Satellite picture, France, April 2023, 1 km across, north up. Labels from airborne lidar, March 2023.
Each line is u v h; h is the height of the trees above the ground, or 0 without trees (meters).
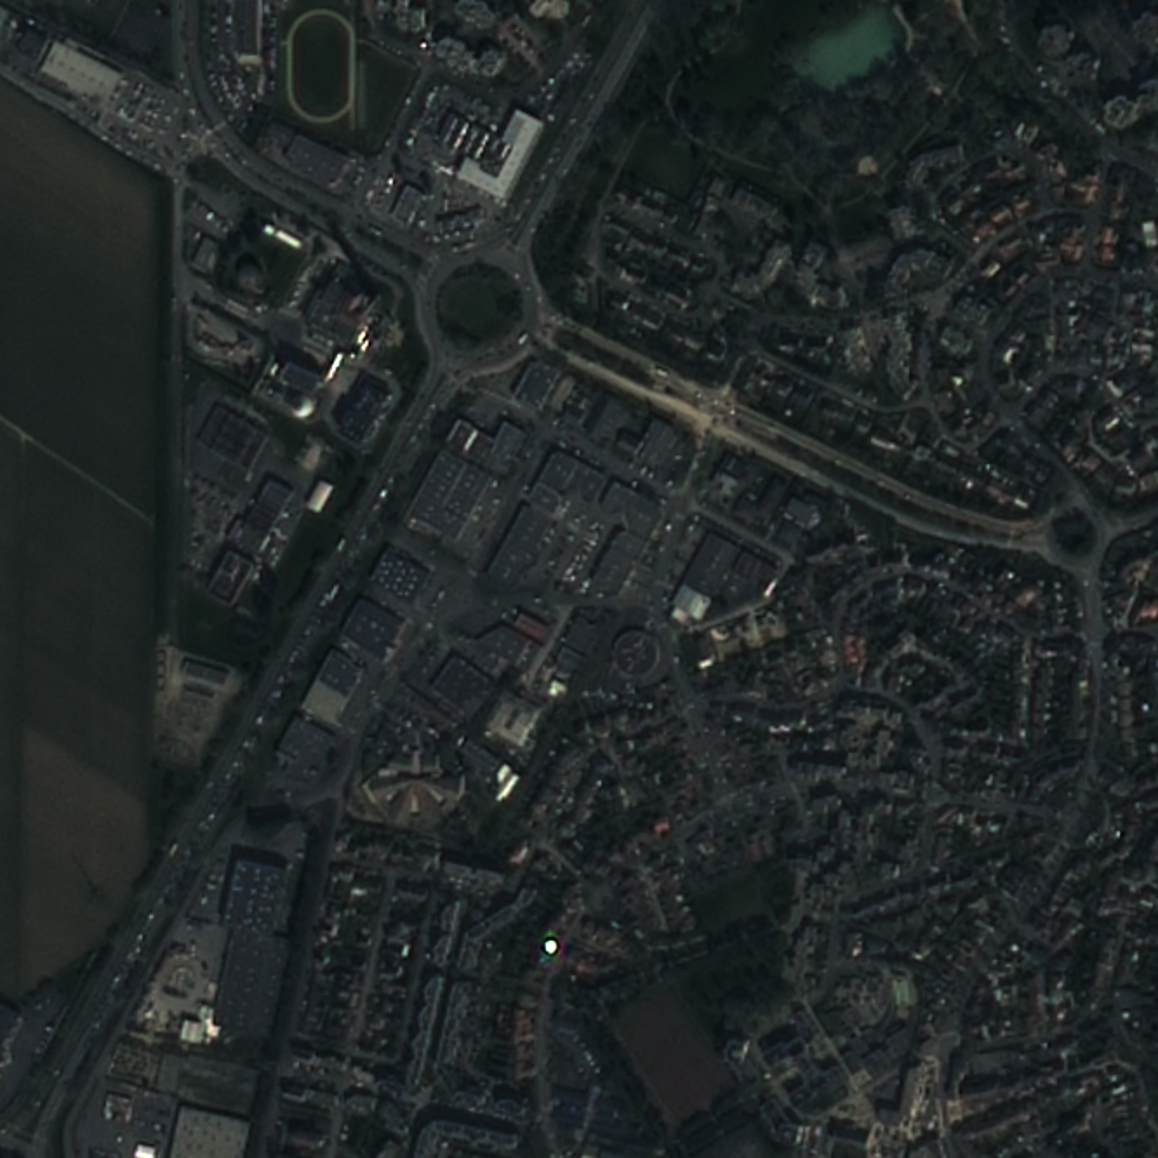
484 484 0
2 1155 9
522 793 11
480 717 12
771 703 0
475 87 0
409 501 9
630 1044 0
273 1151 8
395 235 0
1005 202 7
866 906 0
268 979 0
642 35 0
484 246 0
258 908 0
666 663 0
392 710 6
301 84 0
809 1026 0
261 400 0
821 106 22
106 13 0
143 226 0
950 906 0
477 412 0
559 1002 9
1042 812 0
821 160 19
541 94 0
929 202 11
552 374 0
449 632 0
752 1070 0
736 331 9
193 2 0
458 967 15
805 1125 0
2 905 0
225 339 0
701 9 11
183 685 0
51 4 0
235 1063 8
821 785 0
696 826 0
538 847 0
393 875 0
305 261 0
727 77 0
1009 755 0
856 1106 0
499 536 0
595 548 0
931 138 0
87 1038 0
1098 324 0
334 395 0
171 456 0
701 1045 0
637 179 6
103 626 0
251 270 0
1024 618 10
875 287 10
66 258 0
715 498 0
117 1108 0
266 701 0
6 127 0
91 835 0
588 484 0
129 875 0
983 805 0
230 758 0
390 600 0
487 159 0
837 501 9
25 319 0
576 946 6
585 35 0
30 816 0
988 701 6
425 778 0
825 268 0
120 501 0
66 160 0
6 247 0
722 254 9
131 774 0
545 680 0
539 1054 0
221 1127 0
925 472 6
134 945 0
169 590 0
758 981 13
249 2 0
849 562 13
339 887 7
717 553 0
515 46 0
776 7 0
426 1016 0
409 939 6
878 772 8
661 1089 0
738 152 15
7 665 0
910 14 10
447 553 0
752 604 0
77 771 0
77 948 0
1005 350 0
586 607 0
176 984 0
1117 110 0
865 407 0
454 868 0
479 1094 0
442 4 15
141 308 0
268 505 0
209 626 0
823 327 0
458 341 11
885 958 6
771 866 9
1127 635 0
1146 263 8
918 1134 0
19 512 0
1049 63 0
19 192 0
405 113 0
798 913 0
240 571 0
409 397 6
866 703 0
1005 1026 0
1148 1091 18
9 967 0
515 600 0
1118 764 0
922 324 8
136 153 0
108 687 0
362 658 0
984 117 15
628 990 11
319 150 0
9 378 0
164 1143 0
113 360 0
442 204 0
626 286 0
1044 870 9
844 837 0
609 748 0
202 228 0
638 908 0
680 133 8
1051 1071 0
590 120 0
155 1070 0
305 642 0
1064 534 11
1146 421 0
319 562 9
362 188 0
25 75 0
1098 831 8
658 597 0
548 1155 10
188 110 0
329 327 0
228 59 0
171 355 0
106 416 0
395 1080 0
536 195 0
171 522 0
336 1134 0
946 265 0
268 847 0
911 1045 5
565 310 9
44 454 0
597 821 7
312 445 0
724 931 0
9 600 0
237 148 0
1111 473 0
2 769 0
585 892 0
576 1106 0
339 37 0
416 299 0
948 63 13
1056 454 8
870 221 0
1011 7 12
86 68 0
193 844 0
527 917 9
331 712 0
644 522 0
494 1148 7
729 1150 0
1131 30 12
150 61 10
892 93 14
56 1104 0
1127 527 0
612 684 0
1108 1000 0
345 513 8
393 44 0
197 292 0
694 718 0
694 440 9
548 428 0
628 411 0
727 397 0
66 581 0
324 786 0
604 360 8
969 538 0
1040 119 15
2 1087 0
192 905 0
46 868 0
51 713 0
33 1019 0
